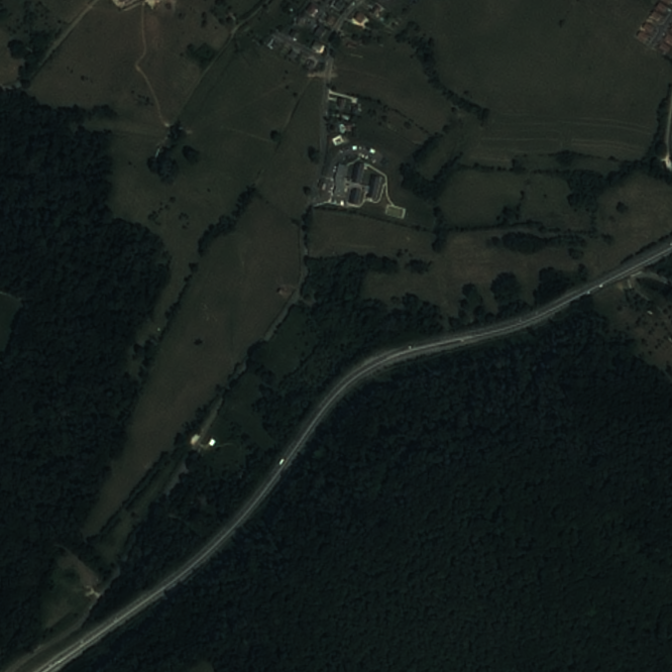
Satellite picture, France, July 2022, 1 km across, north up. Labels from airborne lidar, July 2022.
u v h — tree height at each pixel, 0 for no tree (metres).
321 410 0
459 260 0
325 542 24
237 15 8
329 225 0
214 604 23
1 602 26
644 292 0
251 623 22
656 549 20
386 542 16
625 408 24
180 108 0
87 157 30
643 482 25
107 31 0
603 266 0
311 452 9
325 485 10
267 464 13
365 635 18
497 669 17
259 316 0
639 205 0
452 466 28
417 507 20
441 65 0
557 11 0
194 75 0
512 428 28
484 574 19
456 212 0
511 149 0
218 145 0
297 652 21
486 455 25
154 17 0
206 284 0
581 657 20
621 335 6
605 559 22
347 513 32
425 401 33
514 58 0
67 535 28
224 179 0
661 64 0
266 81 0
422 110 0
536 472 20
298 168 0
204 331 0
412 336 0
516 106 0
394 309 0
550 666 20
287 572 29
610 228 0
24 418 27
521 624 17
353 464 32
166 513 17
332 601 16
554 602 21
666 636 24
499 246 17
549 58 0
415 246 0
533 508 21
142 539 15
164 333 7
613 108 0
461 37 0
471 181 0
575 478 24
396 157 0
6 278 30
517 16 0
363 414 29
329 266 6
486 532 17
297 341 0
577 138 0
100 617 9
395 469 34
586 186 10
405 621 14
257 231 0
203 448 0
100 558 10
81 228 32
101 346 31
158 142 0
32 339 22
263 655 27
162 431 0
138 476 0
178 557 20
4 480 32
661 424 24
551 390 34
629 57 0
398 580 16
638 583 18
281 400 20
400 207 0
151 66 0
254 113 0
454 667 15
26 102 22
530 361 39
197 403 0
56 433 36
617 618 18
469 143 0
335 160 0
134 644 22
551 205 0
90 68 0
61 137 28
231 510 21
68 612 0
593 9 0
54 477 38
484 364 20
